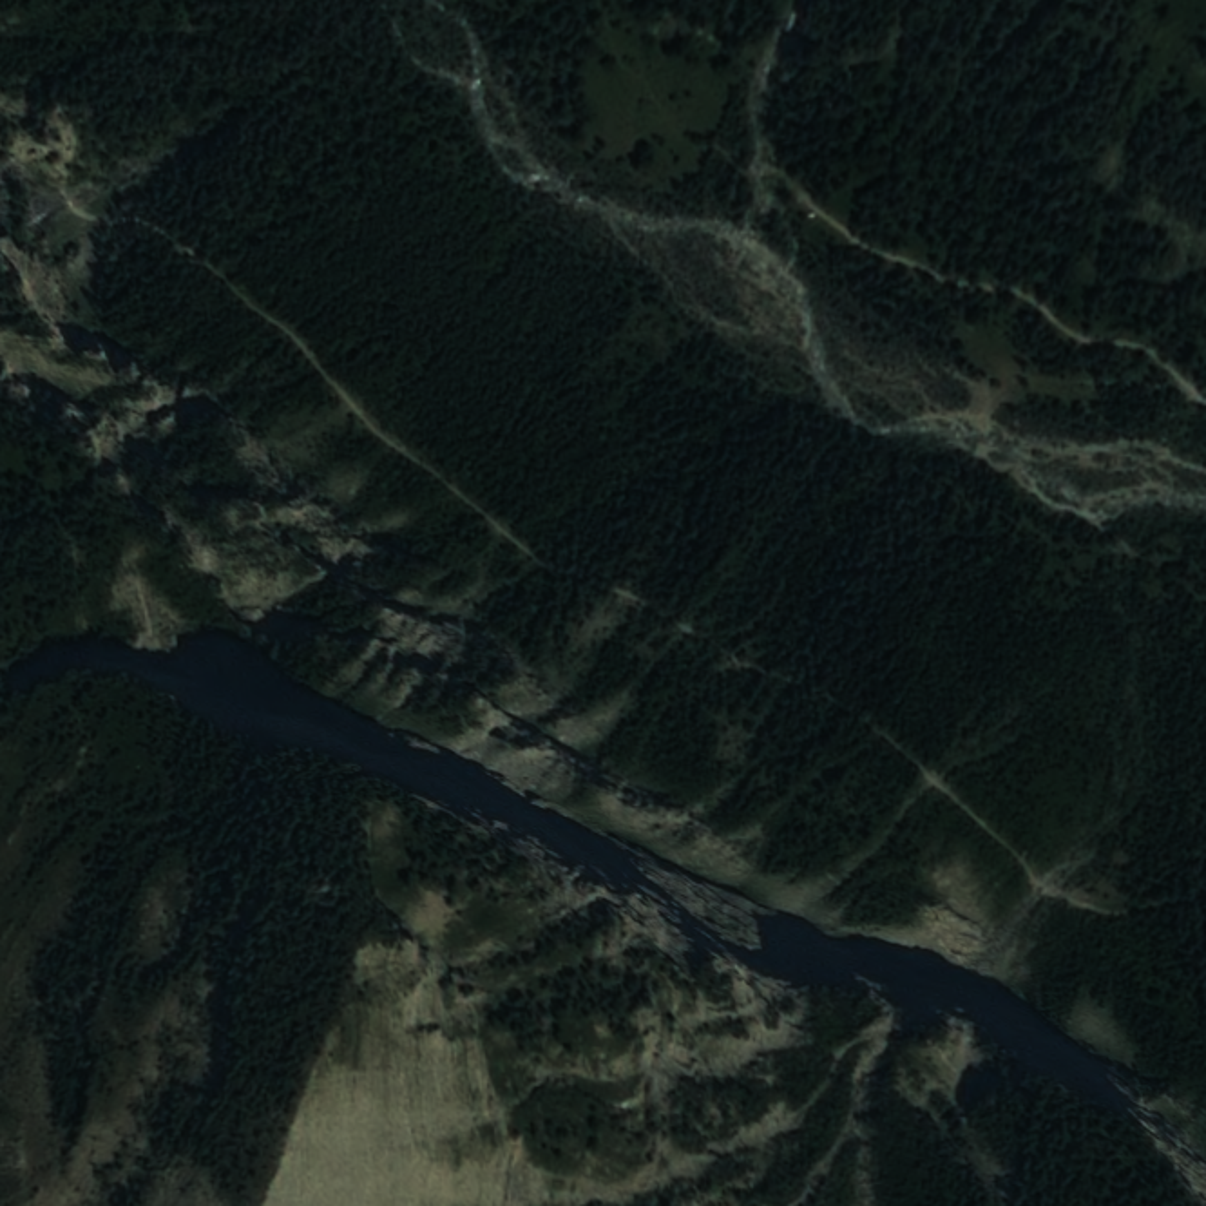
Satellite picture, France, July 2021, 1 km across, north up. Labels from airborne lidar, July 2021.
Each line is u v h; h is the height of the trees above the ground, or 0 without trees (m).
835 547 15
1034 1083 7
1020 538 7
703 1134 5
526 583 11
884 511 27
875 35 17
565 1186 0
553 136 7
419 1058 0
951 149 14
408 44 6
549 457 7
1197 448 7
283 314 9
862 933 8
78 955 7
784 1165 9
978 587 13
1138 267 22
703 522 24
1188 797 7
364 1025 0
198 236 18
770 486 23
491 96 6
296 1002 9
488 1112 0
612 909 21
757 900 0
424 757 0
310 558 44
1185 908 14
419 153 10
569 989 17
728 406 26
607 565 26
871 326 13
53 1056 8
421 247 14
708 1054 0
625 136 0
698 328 8
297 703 0
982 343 0
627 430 13
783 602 11
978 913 0
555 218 6
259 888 8
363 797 12
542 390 9
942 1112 7
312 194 14
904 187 10
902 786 8
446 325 10
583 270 12
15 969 0
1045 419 8
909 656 17
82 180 7
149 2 9
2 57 14
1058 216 18
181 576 7
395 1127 0
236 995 16
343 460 7
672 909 0
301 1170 0
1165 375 9
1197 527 8
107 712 8
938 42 8
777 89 10
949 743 9
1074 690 9
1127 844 8
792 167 17
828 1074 7
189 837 8
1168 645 8
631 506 21
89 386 0
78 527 12
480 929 0
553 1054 0
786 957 0
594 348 13
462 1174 0
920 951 0
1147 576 13
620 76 0
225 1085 11
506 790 0
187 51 35
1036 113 6
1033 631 8
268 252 18
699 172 6
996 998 0
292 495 18
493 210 10
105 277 13
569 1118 7
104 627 6
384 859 0
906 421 6
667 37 5
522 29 17
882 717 10
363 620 6
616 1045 0
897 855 11
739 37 15
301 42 30
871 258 13
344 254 15
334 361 7
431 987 0
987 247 15
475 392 13
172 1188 0
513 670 11
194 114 16
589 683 6
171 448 11
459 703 6
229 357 8
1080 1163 24
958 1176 8
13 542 19
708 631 10
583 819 0
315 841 7
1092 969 6
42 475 27
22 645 13
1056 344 15
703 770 7
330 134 13
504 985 0
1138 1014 8
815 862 7
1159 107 10
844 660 29
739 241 0
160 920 0
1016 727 9
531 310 15
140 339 6
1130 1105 10
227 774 9
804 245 10
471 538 10
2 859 0
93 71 22
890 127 18
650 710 7
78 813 8
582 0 13
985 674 12
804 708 21
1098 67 17
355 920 6
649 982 12
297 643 11
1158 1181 23
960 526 9
